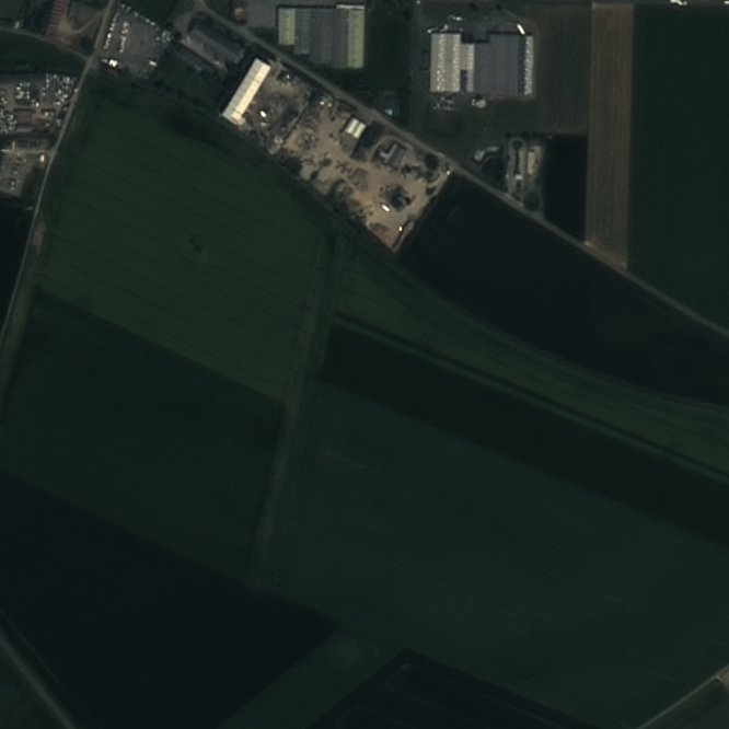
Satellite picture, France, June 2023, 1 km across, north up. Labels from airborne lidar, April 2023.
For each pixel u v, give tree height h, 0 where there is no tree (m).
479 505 0
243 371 0
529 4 0
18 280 0
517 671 0
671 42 0
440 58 0
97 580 0
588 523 0
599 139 0
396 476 0
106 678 0
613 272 0
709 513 0
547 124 0
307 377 0
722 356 0
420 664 0
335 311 0
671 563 0
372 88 0
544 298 0
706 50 0
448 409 0
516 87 0
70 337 0
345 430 0
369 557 0
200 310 0
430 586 0
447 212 0
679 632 0
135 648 0
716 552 0
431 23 0
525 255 0
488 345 0
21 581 0
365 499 0
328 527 0
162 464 0
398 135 0
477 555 0
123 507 0
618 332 0
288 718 0
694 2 0
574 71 0
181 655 0
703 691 0
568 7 0
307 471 0
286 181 0
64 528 0
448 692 0
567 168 0
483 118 0
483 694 0
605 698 0
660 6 0
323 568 0
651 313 0
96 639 0
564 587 0
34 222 0
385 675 0
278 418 0
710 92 0
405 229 0
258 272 0
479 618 0
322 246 0
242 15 0
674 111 0
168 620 0
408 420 0
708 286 0
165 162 0
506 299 0
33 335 0
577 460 0
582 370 0
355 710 0
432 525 0
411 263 0
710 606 0
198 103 9
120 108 0
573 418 0
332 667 0
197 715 0
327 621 0
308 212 0
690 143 0
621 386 0
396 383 0
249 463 0
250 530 0
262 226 0
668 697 0
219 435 0
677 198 0
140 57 0
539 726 0
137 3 0
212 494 0
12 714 0
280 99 0
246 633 0
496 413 0
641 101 0
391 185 0
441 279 0
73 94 0
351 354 0
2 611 0
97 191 0
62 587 0
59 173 0
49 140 0
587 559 0
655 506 0
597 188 0
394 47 0
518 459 0
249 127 0
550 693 0
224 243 0
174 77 0
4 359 0
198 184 0
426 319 0
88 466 0
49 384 0
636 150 0
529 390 0
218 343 0
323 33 0
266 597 0
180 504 0
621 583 0
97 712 0
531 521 0
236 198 0
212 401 0
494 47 0
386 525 0
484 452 0
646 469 0
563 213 0
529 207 0
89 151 0
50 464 0
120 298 0
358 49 0
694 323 0
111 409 0
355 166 0
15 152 0
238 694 0
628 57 0
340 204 0
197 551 0
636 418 0
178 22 0
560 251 0
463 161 0
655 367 0
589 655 0
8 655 0
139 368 0
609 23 0
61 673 0
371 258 0
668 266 0
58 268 0
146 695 0
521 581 0
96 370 0
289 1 0
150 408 0
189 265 0
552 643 0
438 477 0
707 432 0
